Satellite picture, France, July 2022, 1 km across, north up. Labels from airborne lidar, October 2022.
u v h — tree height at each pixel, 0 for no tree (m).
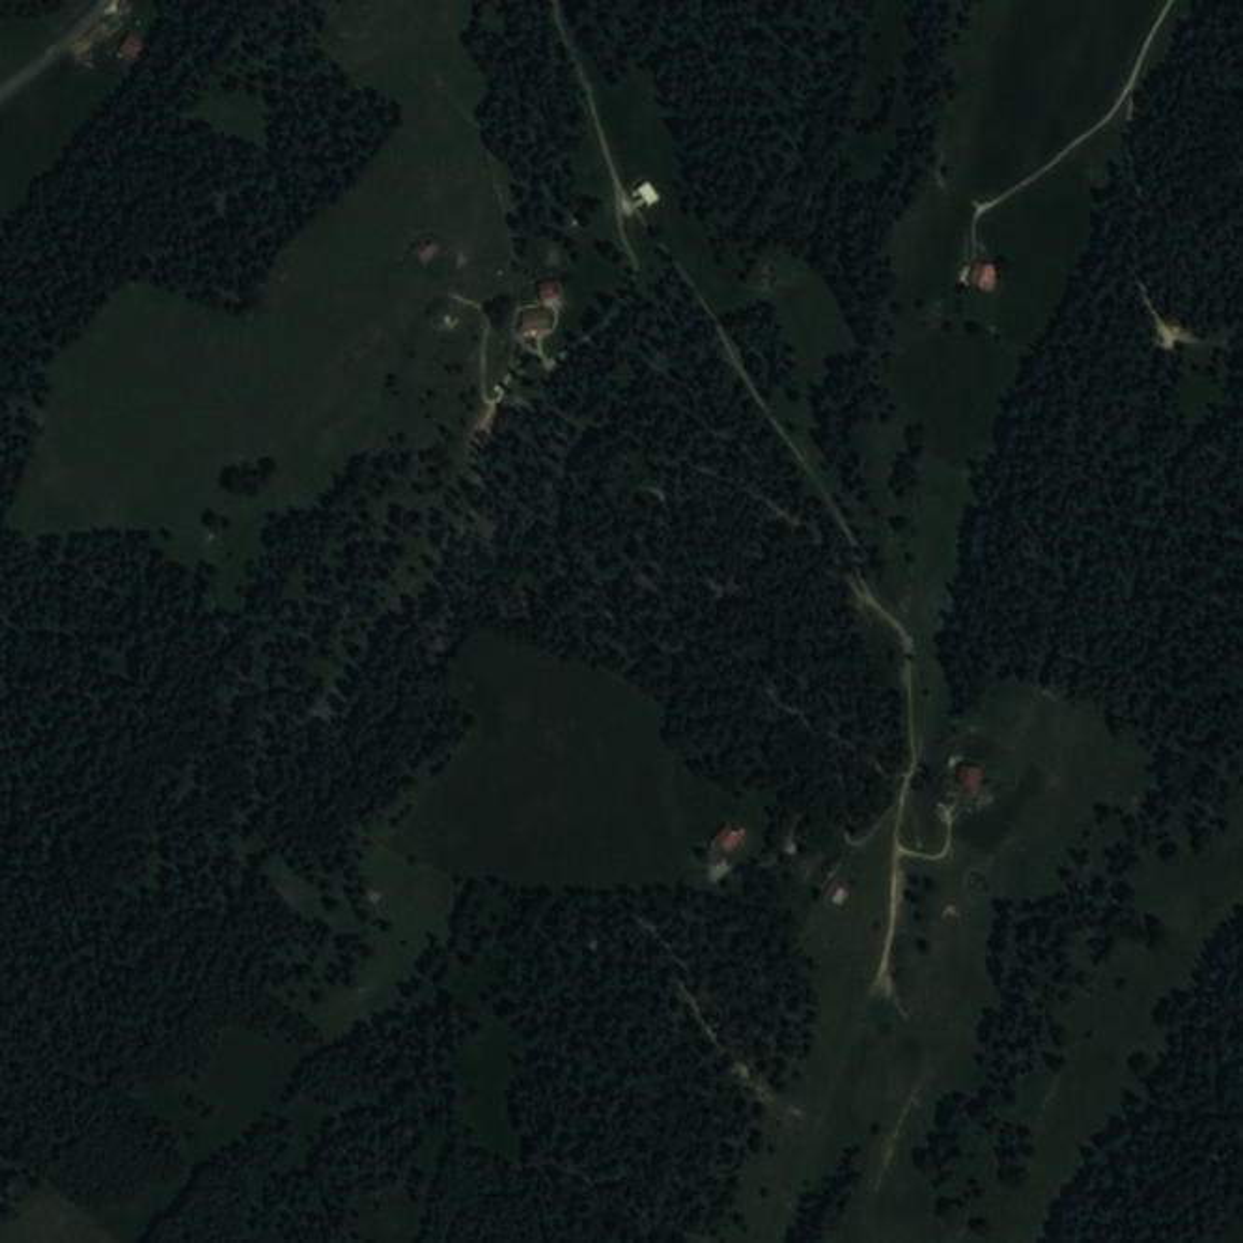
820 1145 0
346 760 26
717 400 26
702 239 0
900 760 14
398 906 0
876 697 26
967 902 0
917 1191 0
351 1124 17
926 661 0
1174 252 18
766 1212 0
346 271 0
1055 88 0
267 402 0
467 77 0
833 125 21
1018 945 7
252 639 12
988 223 0
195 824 17
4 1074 23
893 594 0
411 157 0
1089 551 24
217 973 17
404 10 0
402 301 0
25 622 24
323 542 19
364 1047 21
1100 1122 0
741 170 9
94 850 25
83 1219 0
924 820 0
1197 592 22
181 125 21
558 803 0
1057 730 0
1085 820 0
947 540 0
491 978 0
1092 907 11
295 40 19
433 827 0
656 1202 26
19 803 27
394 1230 0
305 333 0
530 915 23
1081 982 8
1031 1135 19
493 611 19
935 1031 0
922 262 0
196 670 23
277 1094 0
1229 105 19
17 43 0
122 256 17
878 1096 0
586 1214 20
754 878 9
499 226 0
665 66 24
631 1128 14
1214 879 0
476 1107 0
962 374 0
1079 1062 0
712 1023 19
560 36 13
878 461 0
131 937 27
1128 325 13
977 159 0
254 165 29
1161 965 0
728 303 0
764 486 26
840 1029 0
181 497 0
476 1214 15
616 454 27
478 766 0
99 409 0
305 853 19
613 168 0
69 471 0
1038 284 0
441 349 0
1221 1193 22
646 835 0
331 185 10
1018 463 24
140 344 0
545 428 28
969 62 0
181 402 0
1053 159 0
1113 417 23
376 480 16
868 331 17
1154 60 0
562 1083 24
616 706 0
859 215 24
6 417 18
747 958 24
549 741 0
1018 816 0
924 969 0
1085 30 0
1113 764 0
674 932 9
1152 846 12
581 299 0
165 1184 0
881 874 0
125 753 21
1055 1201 0
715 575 27
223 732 12
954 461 0
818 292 0
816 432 0
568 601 26
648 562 29
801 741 20
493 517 7
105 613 20
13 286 23
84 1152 0
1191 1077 22
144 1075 17
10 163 0
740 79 25
